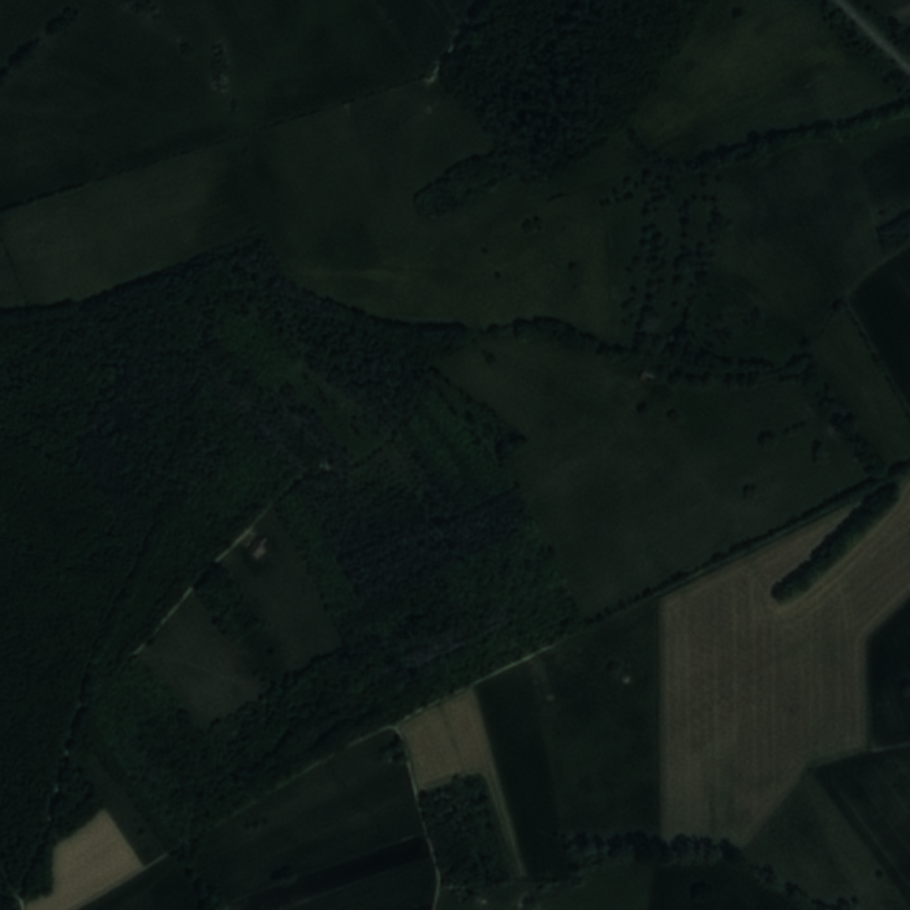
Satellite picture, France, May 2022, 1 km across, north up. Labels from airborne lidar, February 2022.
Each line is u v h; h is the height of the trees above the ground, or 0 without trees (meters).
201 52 0
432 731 0
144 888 0
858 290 0
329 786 0
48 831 15
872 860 0
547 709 0
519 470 0
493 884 12
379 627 21
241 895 0
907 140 0
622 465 0
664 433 0
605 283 0
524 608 8
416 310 0
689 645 0
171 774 13
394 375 19
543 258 0
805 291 0
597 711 0
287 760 16
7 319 15
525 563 16
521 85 12
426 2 0
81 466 12
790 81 0
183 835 13
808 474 0
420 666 14
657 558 0
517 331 15
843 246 0
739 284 0
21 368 12
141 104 0
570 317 0
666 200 8
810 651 0
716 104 0
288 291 16
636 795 0
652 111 0
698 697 0
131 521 14
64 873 0
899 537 0
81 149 0
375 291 0
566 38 22
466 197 10
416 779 0
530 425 0
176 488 11
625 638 0
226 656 0
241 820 0
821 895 0
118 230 0
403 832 0
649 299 10
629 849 24
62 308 13
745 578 0
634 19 20
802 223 0
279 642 0
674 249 0
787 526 6
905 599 0
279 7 0
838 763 0
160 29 0
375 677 16
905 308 0
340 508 13
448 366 0
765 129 0
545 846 0
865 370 0
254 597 0
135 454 16
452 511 19
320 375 16
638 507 0
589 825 0
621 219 0
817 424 0
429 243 0
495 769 0
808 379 20
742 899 0
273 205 0
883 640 0
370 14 0
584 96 25
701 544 0
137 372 21
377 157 0
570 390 0
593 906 0
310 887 0
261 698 8
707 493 0
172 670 0
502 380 0
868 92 0
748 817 0
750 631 0
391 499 9
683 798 0
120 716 7
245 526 7
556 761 0
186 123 0
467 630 15
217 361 19
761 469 0
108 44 0
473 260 0
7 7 0
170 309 18
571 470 0
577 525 0
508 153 16
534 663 0
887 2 0
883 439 0
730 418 0
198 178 0
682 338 18
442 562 25
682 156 0
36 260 0
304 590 0
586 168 0
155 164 0
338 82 0
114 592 11
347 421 0
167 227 0
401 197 0
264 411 17
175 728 13
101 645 12
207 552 7
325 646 0
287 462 17
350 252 0
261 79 0
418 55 0
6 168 0
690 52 0
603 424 0
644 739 0
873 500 17
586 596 0
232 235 0
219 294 13
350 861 0
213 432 14
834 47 0
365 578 20
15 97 0
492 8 19
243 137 0
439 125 0
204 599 13
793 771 0
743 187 0
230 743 8
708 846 22
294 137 0
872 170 0
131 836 0
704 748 0
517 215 0
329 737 21
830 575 0
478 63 14
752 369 8
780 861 0
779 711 0
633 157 0
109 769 8
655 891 0
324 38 0
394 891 0
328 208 0
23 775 12
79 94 0
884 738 0
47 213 0
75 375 14
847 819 0
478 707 0
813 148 0
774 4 0
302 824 0
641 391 0
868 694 0
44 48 0
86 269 0
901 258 0
